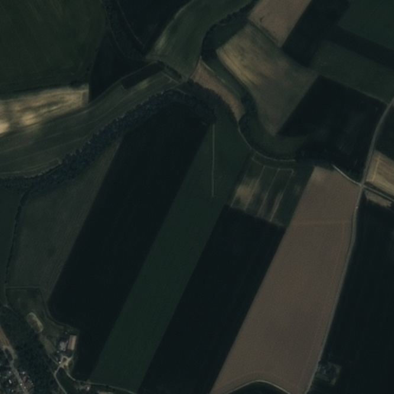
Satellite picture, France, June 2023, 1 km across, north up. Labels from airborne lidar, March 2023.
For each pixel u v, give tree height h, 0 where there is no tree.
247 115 11
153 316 0
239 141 0
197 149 0
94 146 15
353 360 0
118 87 0
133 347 0
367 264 0
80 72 0
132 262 0
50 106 0
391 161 0
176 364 0
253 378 0
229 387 0
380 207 0
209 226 0
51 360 9
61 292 0
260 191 0
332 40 0
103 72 0
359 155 0
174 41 0
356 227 0
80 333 0
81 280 0
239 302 0
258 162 0
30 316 0
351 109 0
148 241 0
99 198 0
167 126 0
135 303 0
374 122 0
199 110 26
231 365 0
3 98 0
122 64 0
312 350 0
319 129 0
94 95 0
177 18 0
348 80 0
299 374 0
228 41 0
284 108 0
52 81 0
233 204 0
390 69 0
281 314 0
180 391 0
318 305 0
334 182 0
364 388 0
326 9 0
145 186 0
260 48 0
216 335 0
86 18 0
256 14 0
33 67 0
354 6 0
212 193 0
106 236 0
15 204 0
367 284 0
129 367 0
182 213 0
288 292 0
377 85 0
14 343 0
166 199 0
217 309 0
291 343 0
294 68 0
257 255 0
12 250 6
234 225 0
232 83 0
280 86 0
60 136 0
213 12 0
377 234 0
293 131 0
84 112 0
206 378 0
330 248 0
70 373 0
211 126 0
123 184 0
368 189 0
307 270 0
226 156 0
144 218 0
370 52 0
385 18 0
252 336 0
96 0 0
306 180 0
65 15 0
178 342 0
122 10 0
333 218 0
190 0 8
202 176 0
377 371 0
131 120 12
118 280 0
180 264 0
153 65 0
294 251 0
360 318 0
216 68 0
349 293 0
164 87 0
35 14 0
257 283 0
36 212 0
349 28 0
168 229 0
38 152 0
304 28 0
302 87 0
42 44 0
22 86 0
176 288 0
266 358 0
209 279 0
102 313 0
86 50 0
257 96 0
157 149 0
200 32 0
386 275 0
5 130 0
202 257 0
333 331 0
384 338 0
